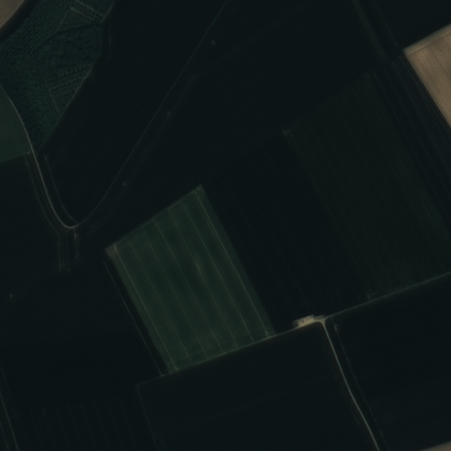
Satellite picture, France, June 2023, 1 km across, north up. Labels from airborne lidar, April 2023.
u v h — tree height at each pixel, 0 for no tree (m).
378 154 0
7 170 0
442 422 0
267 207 0
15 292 0
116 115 0
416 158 0
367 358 0
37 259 0
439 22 0
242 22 0
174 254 0
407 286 0
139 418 0
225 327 0
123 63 0
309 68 0
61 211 0
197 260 0
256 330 0
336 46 0
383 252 0
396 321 0
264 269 0
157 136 0
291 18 0
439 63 0
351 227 0
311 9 0
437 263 0
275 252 0
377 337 0
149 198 0
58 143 0
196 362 0
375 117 0
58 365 0
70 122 0
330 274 0
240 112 0
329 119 0
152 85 0
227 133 0
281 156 0
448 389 0
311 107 0
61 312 0
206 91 0
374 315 0
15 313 0
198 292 0
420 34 0
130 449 0
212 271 0
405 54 0
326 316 0
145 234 0
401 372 0
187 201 0
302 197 0
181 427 0
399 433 0
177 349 0
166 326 0
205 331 0
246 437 0
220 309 0
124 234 0
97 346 0
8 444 0
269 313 0
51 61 14
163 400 0
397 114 0
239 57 0
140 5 0
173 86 0
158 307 0
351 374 0
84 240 0
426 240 0
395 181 0
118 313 0
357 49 0
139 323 0
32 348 0
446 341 0
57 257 0
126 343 0
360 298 0
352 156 0
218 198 0
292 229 0
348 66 0
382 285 0
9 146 0
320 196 0
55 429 0
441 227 0
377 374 0
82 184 0
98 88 0
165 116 0
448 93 0
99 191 0
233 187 0
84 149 0
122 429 0
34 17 7
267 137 0
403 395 0
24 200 0
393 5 0
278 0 0
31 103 10
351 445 0
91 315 0
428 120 0
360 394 0
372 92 0
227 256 0
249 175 0
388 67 0
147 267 0
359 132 0
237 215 0
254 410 0
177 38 0
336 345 0
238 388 0
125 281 0
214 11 0
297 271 0
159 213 0
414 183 0
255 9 0
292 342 0
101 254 0
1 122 0
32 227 0
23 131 0
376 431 0
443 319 0
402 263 0
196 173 0
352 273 0
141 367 0
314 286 0
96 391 0
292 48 0
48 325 0
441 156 0
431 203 0
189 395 0
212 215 0
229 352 0
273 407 0
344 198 0
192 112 0
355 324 0
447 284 0
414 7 0
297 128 0
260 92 0
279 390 0
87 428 0
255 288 0
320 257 0
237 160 0
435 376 0
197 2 0
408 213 0
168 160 0
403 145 0
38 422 0
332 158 0
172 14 0
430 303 0
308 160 0
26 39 8
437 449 0
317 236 0
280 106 0
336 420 0
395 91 0
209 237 0
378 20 0
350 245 0
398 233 0
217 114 0
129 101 0
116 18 0
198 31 0
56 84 9
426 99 0
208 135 0
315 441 0
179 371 0
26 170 0
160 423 0
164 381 0
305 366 0
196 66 0
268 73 0
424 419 0
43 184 0
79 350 0
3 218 0
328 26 0
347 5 0
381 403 0
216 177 0
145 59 0
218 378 0
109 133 0
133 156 0
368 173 0
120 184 0
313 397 0
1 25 0
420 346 0
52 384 0
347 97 0
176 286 0
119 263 0
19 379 0
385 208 0
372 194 0
